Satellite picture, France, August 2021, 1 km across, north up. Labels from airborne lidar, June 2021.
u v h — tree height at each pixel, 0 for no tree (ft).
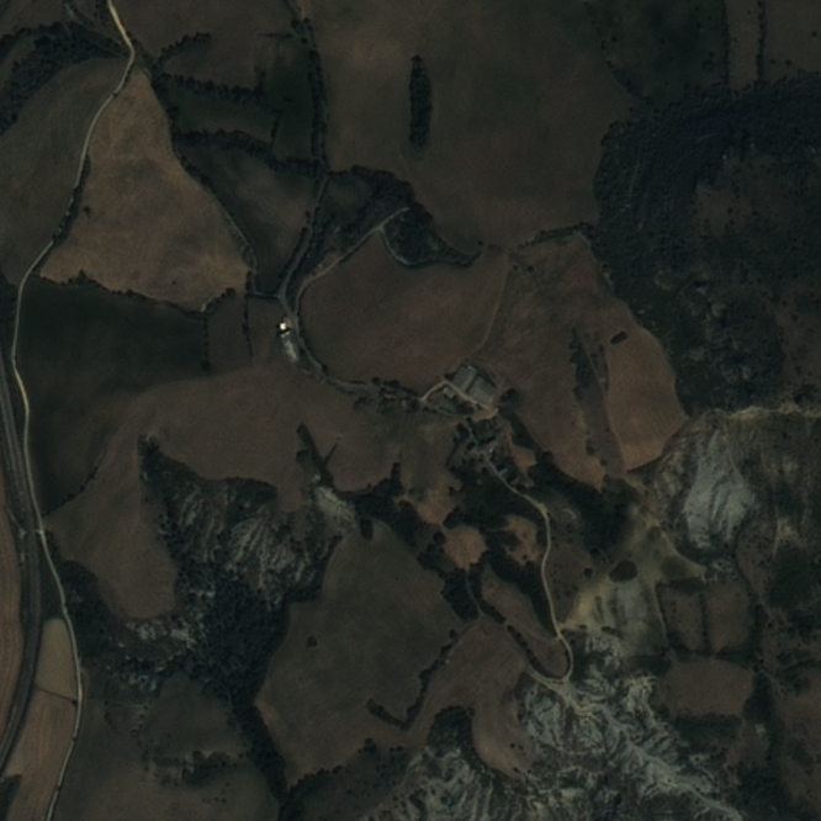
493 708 0
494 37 0
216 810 0
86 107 0
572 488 28
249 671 60
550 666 0
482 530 32
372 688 0
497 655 0
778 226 0
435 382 0
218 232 0
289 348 0
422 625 0
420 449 0
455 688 0
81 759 0
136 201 0
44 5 0
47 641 0
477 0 0
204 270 0
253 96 56
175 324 0
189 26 0
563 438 0
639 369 0
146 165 0
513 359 0
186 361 0
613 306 0
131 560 0
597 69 0
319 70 27
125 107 0
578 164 0
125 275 0
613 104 0
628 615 0
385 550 0
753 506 0
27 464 0
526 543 0
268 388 0
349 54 0
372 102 0
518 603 0
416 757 0
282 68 0
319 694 0
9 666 0
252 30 0
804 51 0
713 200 0
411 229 23
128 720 0
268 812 0
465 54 0
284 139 0
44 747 0
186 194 0
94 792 0
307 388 0
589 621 0
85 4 0
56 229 0
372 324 0
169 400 0
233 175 0
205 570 24
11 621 0
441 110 0
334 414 0
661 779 0
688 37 0
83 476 0
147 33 0
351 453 0
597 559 39
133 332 0
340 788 0
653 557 0
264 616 42
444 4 0
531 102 0
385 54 0
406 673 0
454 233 0
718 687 0
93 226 0
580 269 0
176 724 0
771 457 0
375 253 0
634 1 0
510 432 0
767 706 33
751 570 0
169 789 0
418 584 0
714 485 0
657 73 0
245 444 0
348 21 0
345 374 0
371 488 33
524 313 0
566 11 0
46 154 0
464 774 0
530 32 0
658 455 0
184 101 0
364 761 0
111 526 0
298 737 0
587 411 0
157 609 0
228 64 0
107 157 0
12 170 0
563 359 0
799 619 32
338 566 0
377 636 0
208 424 0
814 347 0
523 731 0
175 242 0
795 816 21
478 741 0
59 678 0
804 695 0
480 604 21
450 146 0
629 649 0
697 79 0
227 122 0
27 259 0
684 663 0
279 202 0
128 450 0
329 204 0
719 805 0
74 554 0
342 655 0
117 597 0
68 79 0
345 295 0
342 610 0
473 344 0
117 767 0
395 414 0
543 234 22
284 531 22
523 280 0
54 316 0
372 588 0
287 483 0
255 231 0
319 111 36
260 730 43
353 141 0
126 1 0
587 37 0
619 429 0
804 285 0
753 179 0
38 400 0
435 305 0
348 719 0
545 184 0
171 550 31
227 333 0
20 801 0
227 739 0
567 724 0
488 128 0
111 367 0
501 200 0
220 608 37
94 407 0
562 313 0
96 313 0
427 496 0
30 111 0
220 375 0
